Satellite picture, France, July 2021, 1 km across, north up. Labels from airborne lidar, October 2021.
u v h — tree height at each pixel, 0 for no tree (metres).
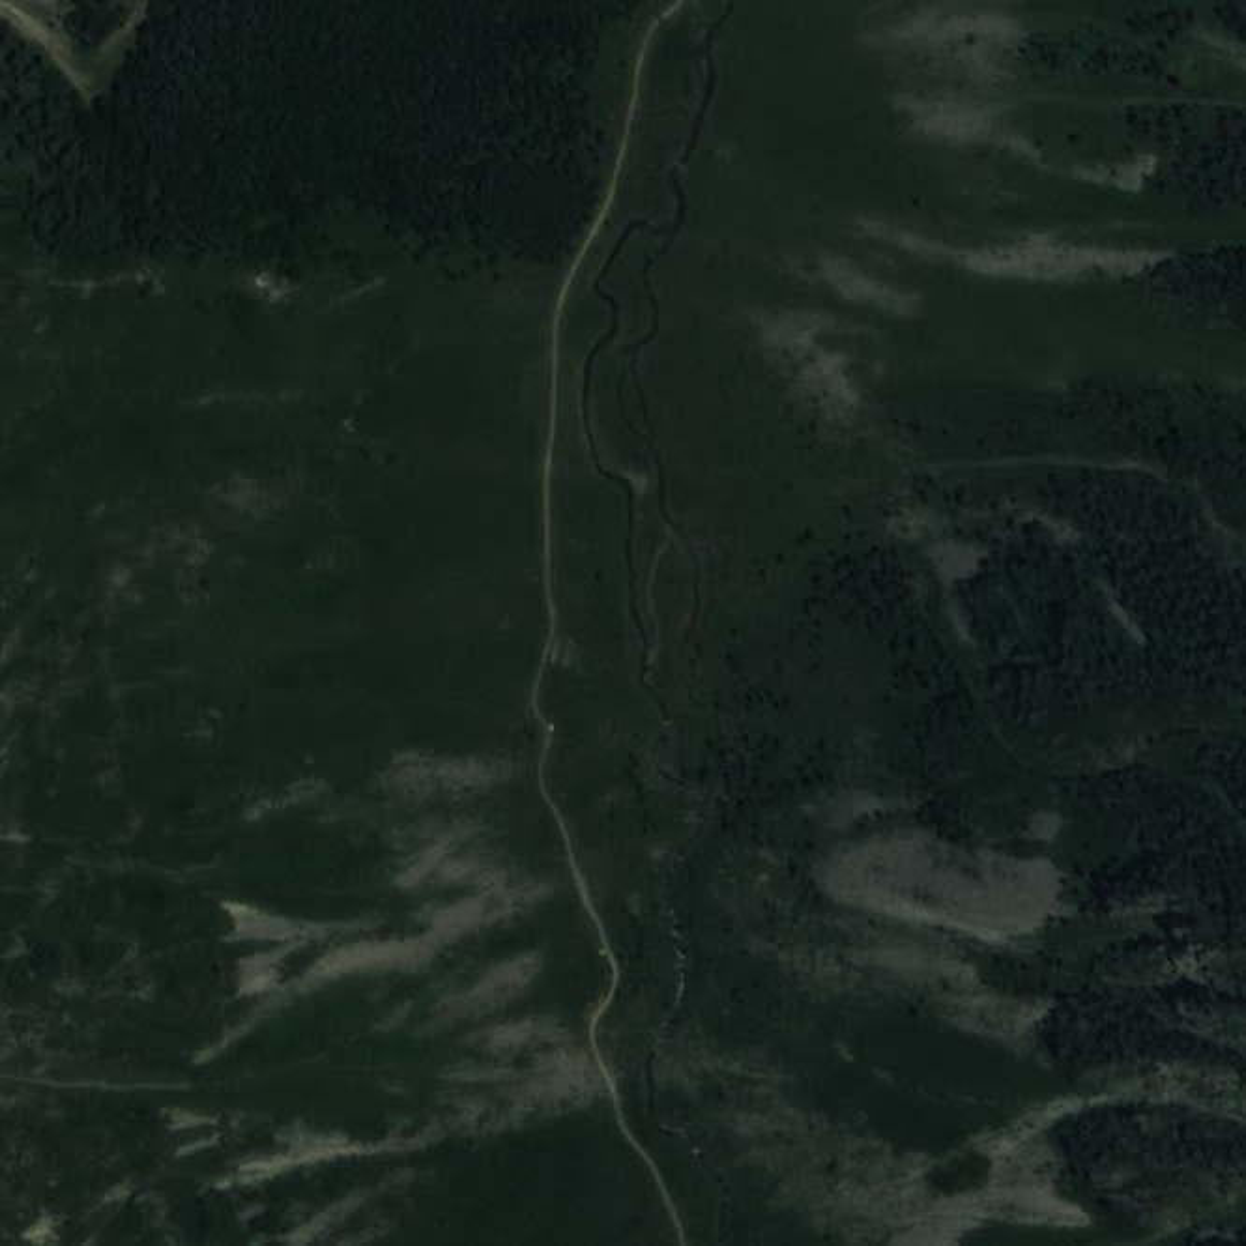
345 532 0
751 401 0
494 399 0
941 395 0
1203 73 0
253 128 18
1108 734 0
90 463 0
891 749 0
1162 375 0
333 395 0
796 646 0
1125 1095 0
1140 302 0
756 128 0
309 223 13
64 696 0
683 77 0
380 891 0
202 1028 0
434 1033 0
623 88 0
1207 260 9
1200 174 8
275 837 0
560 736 0
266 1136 0
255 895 0
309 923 0
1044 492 7
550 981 0
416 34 17
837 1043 0
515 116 16
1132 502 10
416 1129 0
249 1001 0
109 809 0
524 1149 0
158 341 0
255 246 11
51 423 0
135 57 17
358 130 19
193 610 0
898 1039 0
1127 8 0
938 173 0
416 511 0
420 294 0
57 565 0
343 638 0
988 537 10
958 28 0
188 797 0
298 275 16
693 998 0
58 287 0
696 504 0
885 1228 0
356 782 0
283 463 0
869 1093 0
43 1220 0
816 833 0
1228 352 0
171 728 0
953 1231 0
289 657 0
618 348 0
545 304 0
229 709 0
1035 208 0
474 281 0
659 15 0
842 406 0
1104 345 0
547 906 0
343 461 0
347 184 14
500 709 0
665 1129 0
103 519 0
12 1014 6
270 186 19
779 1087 0
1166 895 12
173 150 19
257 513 0
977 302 0
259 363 0
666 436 0
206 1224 13
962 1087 0
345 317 0
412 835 0
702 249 0
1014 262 0
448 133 13
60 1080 0
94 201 25
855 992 0
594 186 16
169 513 0
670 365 0
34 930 9
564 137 14
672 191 0
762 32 0
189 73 16
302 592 0
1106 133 0
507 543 0
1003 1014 0
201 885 0
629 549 0
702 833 0
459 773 0
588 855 0
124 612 0
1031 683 10
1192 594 7
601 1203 0
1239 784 10
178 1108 0
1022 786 0
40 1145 0
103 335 0
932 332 0
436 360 0
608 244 0
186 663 0
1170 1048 8
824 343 0
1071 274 0
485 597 0
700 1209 0
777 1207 0
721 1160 0
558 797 0
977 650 0
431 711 0
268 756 0
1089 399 0
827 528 0
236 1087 0
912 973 0
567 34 13
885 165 0
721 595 0
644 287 0
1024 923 0
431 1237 0
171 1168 0
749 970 0
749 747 7
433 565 0
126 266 0
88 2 15
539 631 0
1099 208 0
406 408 0
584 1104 0
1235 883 8
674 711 0
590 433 0
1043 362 0
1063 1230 0
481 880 0
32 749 0
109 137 19
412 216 16
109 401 0
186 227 8
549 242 15
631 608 0
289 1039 0
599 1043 0
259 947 0
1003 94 0
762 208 0
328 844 0
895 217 0
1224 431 0
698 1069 0
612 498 0
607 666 0
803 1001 0
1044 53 6
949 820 12
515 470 0
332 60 18
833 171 0
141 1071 0
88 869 0
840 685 0
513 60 11
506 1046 0
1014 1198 0
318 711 0
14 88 11
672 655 0
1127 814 7
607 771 0
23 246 0
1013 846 0
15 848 0
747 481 0
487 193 22
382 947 0
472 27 14
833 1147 0
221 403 0
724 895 0
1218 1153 8
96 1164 0
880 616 6
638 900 0
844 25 0
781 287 0
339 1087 0
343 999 0
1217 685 8
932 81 0
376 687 0
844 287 0
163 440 0
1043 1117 0
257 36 15
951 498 9
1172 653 9
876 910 0
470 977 0
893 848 0
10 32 19
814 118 0
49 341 0
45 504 0
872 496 0
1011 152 0
